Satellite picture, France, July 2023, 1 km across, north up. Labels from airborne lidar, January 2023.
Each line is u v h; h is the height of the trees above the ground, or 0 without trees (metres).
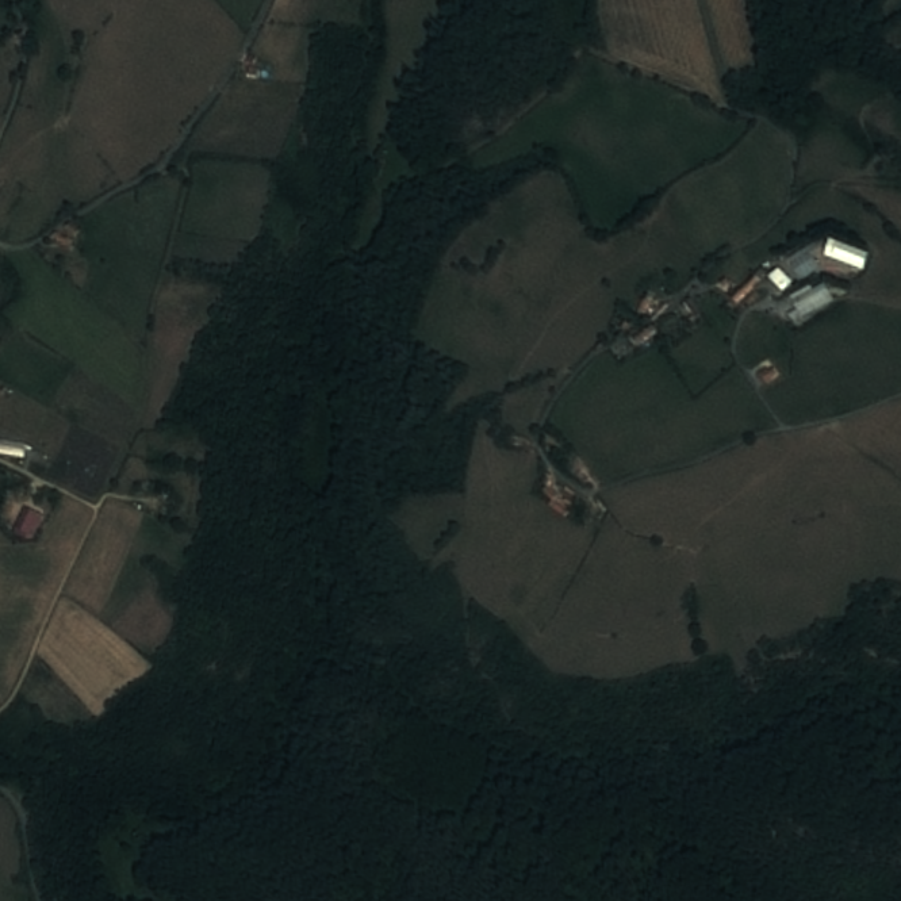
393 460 12
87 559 0
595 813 23
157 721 12
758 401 0
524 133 0
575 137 0
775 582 0
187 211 0
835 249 0
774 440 0
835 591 0
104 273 0
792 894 14
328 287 18
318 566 8
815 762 23
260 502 14
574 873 10
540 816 23
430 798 9
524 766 20
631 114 0
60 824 19
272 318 23
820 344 0
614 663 0
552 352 0
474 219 14
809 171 0
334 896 13
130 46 0
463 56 19
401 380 9
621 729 13
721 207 0
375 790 17
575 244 0
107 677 0
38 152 0
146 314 0
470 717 10
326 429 0
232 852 25
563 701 10
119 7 0
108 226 0
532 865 10
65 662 0
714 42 0
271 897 14
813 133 0
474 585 0
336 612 16
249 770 10
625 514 0
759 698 13
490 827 9
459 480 7
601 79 0
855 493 0
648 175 0
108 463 0
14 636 0
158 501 0
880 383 0
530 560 0
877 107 0
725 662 6
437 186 9
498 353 0
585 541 0
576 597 0
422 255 13
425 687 12
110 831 22
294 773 27
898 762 19
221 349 12
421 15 0
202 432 15
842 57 20
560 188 0
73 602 0
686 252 0
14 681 0
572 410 0
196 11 0
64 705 0
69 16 0
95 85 0
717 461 0
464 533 0
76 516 0
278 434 18
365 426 14
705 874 25
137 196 0
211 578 17
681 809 24
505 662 6
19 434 0
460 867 24
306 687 14
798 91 15
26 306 0
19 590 0
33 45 18
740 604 0
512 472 0
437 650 6
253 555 20
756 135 0
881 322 0
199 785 11
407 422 13
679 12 0
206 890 14
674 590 0
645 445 0
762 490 0
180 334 0
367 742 11
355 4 0
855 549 0
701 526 0
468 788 8
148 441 0
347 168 16
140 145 0
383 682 20
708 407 0
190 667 6
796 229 0
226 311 17
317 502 16
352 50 15
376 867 21
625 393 0
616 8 0
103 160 0
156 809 16
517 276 0
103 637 0
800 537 0
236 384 13
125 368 0
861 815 9
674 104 0
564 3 0
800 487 0
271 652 15
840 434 0
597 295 0
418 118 21
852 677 17
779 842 12
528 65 11
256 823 25
